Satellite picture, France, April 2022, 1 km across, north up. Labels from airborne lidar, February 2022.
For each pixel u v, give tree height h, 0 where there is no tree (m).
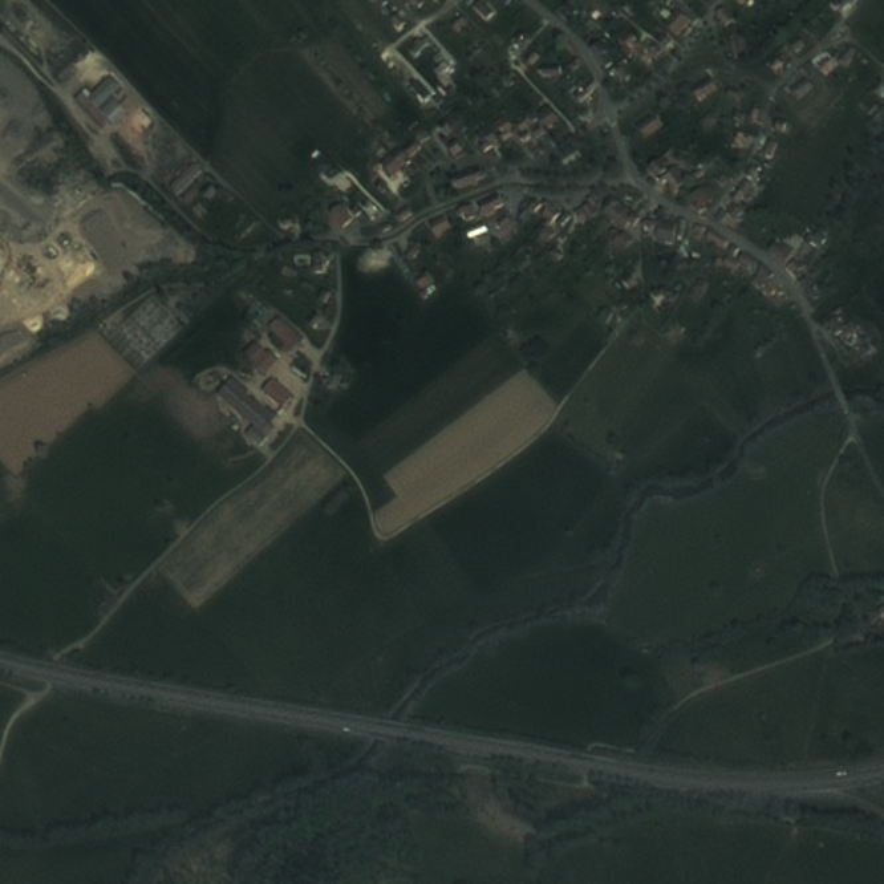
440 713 0
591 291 0
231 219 0
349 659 0
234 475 0
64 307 0
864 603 20
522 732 0
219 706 0
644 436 0
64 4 0
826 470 0
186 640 0
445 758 6
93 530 0
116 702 0
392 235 0
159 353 0
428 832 0
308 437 0
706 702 0
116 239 0
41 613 0
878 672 0
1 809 0
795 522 0
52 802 0
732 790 0
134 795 0
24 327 0
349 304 0
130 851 0
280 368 0
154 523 0
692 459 0
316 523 0
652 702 0
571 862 0
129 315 0
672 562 0
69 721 10
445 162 0
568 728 0
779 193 0
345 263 0
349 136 0
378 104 0
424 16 0
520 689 0
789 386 0
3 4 0
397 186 0
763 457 0
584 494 0
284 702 0
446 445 0
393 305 0
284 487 0
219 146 0
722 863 0
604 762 0
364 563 0
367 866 26
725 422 0
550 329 0
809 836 0
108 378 0
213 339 0
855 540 0
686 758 0
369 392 0
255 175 0
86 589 0
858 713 0
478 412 0
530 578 0
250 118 0
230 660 0
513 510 0
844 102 0
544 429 0
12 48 0
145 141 0
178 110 0
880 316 0
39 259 0
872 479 0
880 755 0
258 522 0
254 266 12
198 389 0
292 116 0
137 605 0
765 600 0
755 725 0
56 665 0
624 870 0
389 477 0
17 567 0
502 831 0
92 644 0
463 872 0
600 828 24
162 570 0
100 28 0
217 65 0
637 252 0
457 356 0
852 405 12
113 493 0
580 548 0
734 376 0
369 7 0
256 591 0
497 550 0
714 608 0
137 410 0
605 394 0
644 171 12
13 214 0
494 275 8
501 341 0
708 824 0
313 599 0
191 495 0
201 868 0
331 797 22
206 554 0
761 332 0
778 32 12
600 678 0
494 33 0
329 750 0
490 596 0
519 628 14
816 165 0
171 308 0
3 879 0
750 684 0
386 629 0
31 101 0
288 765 0
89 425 0
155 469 0
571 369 0
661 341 0
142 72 0
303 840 30
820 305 0
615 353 0
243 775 0
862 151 0
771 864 0
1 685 0
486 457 0
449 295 0
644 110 0
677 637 0
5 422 0
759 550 0
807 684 0
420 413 0
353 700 0
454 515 0
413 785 29
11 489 0
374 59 0
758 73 0
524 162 0
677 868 0
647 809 6
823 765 0
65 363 0
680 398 0
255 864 29
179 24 0
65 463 0
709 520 0
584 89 0
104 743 0
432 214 0
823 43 0
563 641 0
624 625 0
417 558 0
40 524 0
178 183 0
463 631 0
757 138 0
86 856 0
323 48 0
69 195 0
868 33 0
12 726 0
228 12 0
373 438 0
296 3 0
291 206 0
